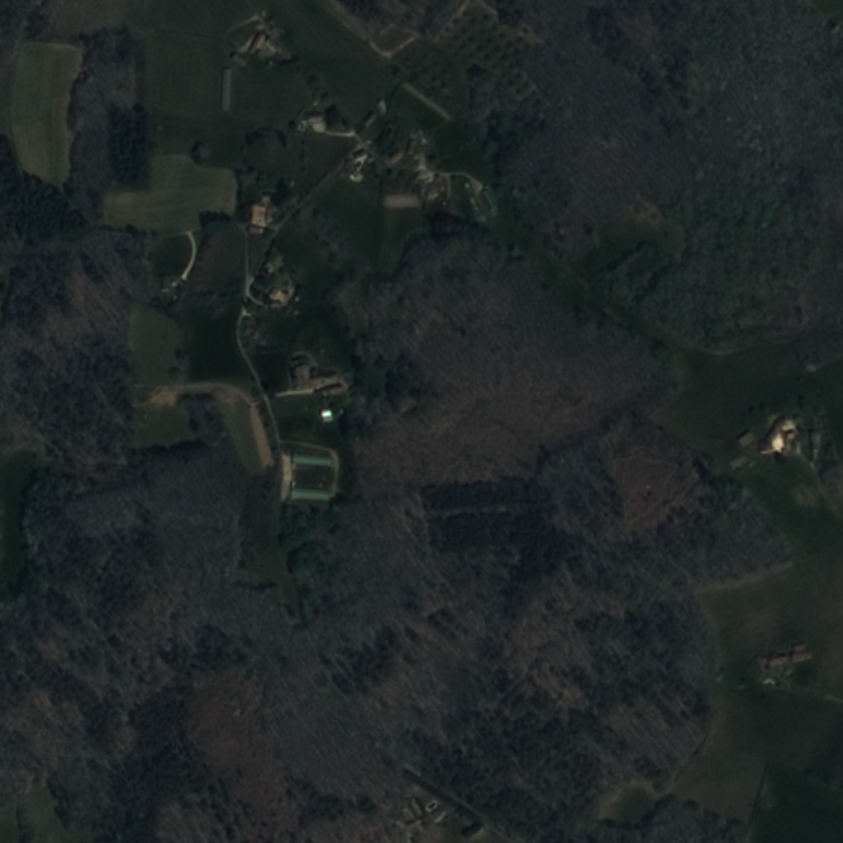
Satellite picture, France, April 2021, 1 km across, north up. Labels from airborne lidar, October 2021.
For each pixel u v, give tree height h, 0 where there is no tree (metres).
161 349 0
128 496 16
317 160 0
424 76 8
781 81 30
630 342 14
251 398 0
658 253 19
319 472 0
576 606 10
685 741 20
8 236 24
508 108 19
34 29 26
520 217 9
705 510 19
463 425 6
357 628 19
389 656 27
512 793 21
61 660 10
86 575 29
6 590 0
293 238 0
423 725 26
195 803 14
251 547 8
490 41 8
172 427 0
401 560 19
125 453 22
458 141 0
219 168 0
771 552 24
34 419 26
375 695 21
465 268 18
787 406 0
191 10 0
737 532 22
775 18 19
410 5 28
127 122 20
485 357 12
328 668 25
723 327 27
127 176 23
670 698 19
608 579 29
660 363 24
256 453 0
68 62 0
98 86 18
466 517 8
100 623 17
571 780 25
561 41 17
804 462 0
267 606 17
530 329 14
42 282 23
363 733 18
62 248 16
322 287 0
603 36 28
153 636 9
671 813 20
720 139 21
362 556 21
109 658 26
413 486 7
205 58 0
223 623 18
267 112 0
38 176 0
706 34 17
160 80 0
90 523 18
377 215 0
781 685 8
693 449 6
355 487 9
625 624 12
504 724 18
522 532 14
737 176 25
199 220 0
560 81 20
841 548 0
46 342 19
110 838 14
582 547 19
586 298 0
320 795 19
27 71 0
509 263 13
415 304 18
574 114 21
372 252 0
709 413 0
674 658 22
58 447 25
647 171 20
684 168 19
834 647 0
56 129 0
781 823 0
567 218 16
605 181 18
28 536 17
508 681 7
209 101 0
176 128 0
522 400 7
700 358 0
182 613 17
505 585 12
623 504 20
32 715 24
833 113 20
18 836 0
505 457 6
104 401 24
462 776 19
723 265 25
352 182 0
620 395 9
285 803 10
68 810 24
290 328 0
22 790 23
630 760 25
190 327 0
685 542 22
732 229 20
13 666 26
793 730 0
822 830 0
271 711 16
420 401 30
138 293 16
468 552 14
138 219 0
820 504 0
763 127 19
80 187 13
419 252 17
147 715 20
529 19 16
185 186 0
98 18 0
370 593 19
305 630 13
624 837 21
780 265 22
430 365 12
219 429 18
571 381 9
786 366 0
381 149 9
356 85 0
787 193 16
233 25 0
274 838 22
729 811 0
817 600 0
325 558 21
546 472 21
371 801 17
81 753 19
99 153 17
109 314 20
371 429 19
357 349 15
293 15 0
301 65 13
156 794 20
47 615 18
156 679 12
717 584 21
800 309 11
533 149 23
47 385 14
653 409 6
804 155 13
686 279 25
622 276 22
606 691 16
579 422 7
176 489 16
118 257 20
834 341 11
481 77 23
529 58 16
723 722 0
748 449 0
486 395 7
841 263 15
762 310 29
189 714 19
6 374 21
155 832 22
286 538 11
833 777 10
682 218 22
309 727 16
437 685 17
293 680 17
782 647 0
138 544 15
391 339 17
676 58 20
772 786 0
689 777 0
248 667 23
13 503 0
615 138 18
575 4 13
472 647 21
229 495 17
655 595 24
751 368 0
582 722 26
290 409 0
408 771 10
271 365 0
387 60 0
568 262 12
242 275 0
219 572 18
